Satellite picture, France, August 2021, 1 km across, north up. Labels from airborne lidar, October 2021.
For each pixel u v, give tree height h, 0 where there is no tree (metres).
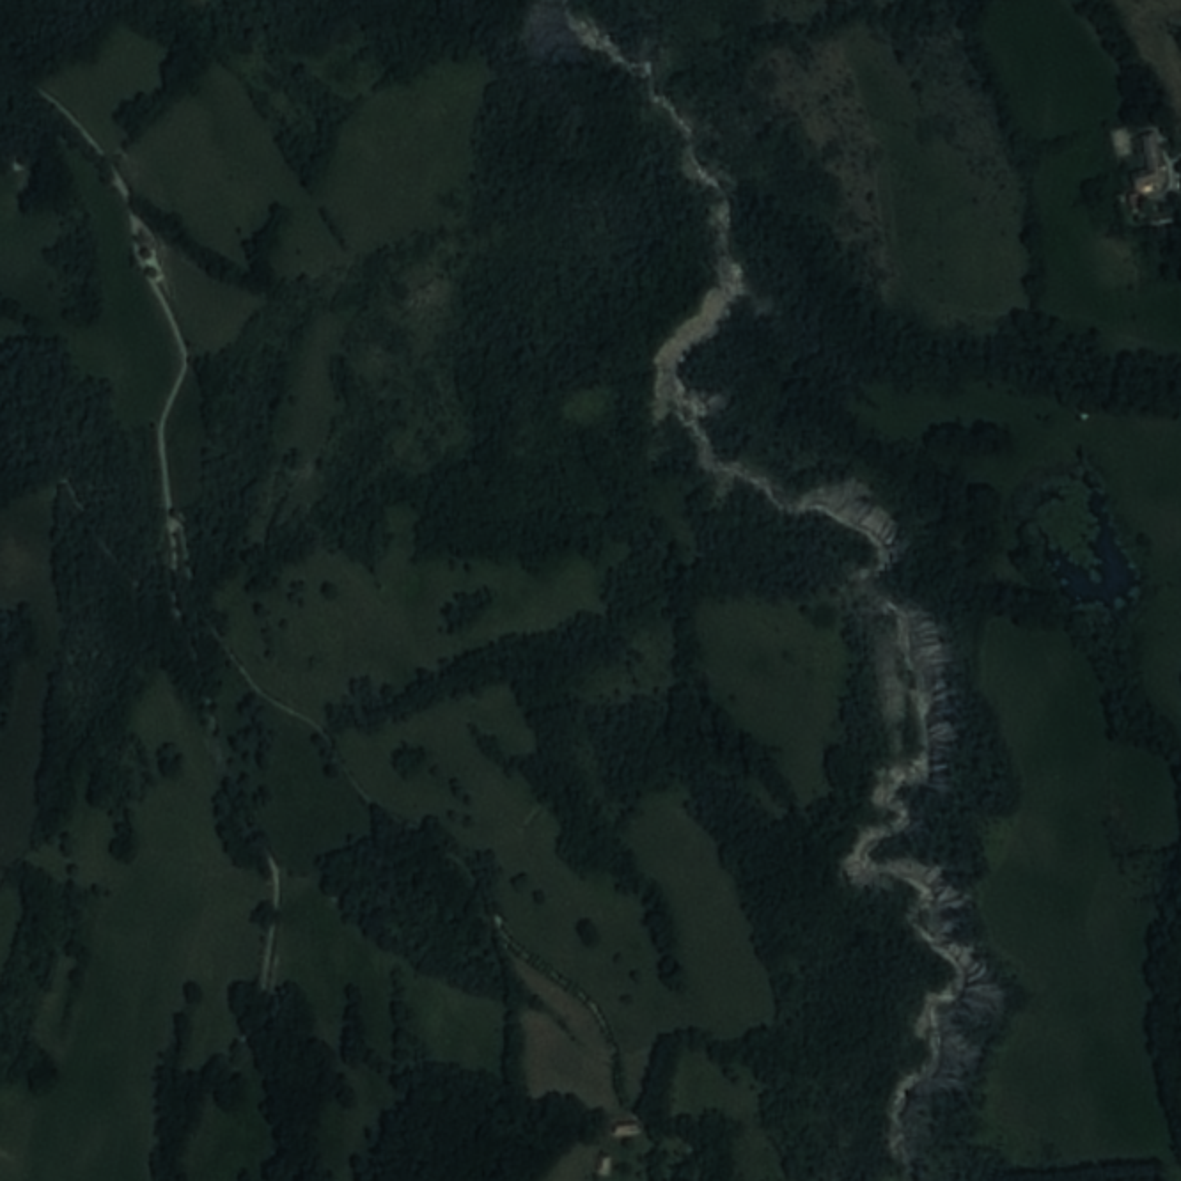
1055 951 0
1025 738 0
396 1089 17
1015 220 0
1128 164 8
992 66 15
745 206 11
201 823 0
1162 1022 18
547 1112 19
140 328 0
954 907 0
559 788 16
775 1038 12
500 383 5
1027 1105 0
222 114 0
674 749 9
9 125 8
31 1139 0
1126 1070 0
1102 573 0
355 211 0
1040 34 0
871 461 18
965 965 0
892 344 21
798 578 10
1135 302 0
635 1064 0
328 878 12
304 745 0
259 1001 12
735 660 0
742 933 0
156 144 0
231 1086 18
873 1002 9
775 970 10
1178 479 0
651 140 6
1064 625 11
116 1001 0
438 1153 21
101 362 0
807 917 9
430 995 0
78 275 7
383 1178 22
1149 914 0
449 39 10
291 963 0
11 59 16
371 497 10
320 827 0
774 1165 0
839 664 0
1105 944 0
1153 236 7
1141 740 13
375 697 10
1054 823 0
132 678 12
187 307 0
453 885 16
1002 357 22
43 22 14
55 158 20
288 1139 21
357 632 0
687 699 18
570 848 13
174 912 0
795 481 9
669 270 17
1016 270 0
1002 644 0
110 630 10
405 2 18
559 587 0
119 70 0
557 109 13
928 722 0
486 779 0
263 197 0
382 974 0
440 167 0
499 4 19
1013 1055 0
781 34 18
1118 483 0
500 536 15
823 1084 6
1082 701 0
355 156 0
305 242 0
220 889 0
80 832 0
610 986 0
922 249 0
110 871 0
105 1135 0
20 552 0
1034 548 7
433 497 17
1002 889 0
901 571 11
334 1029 0
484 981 11
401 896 11
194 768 0
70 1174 0
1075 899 0
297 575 0
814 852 20
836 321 19
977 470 0
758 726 0
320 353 0
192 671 10
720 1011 0
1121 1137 0
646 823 0
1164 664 0
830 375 8
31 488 14
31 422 9
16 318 15
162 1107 10
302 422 0
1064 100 0
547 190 11
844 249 13
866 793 14
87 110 0
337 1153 0
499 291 7
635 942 0
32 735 0
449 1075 13
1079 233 0
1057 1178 17
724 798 12
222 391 10
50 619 0
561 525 12
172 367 0
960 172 0
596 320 13
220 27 11
